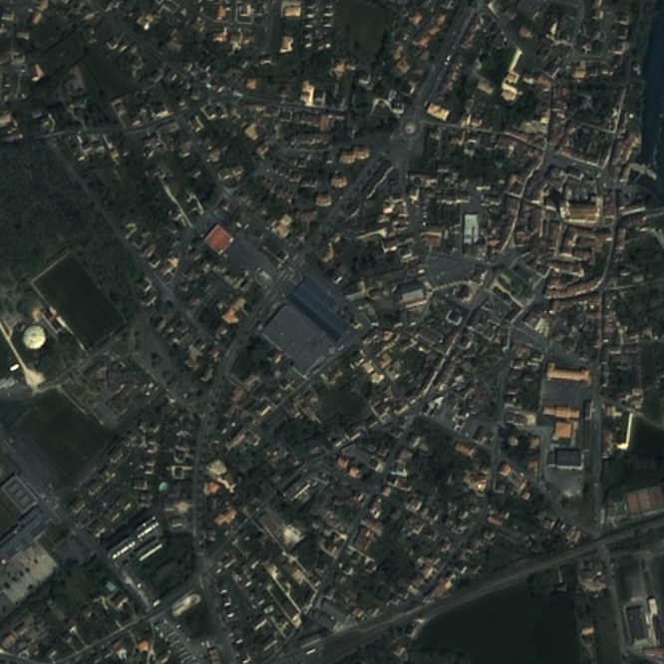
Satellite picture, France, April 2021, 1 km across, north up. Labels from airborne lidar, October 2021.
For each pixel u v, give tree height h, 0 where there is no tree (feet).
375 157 0
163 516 0
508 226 0
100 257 95
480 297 0
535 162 0
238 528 0
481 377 0
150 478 0
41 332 0
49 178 50
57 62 0
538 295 0
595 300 0
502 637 0
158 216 25
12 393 0
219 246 0
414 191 0
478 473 19
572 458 0
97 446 0
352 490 21
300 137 0
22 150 84
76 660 22
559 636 0
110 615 37
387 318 23
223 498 19
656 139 0
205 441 23
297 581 0
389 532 0
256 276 0
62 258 0
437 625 0
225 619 25
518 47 0
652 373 0
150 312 0
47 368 56
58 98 25
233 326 37
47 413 0
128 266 95
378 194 27
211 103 0
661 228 0
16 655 0
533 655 0
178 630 0
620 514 0
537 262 0
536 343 0
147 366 0
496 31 0
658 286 0
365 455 0
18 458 0
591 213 0
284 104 0
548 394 0
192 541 29
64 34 22
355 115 43
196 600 0
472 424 0
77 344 56
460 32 0
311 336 0
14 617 28
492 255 0
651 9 49
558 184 0
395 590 22
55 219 79
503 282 45
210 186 19
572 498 0
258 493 38
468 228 0
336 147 41
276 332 0
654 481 0
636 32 66
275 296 0
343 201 0
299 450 43
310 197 33
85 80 0
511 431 36
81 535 0
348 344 0
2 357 0
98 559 32
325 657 0
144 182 20
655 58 0
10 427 0
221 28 24
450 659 61
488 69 48
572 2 0
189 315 0
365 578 30
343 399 0
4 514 0
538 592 44
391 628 0
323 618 0
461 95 34
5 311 45
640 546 31
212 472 0
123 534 29
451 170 35
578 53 0
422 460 58
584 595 22
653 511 0
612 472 52
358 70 31
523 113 24
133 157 30
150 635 24
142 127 0
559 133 0
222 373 0
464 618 0
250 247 0
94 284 0
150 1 33
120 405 0
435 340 0
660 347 44
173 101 0
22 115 65
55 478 0
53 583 26
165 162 0
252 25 0
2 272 62
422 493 23
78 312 0
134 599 23
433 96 0
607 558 0
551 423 0
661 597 0
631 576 0
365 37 0
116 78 0
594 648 33
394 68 0
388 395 0
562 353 0
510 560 17
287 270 0
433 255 0
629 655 0
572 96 35
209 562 0
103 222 85
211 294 0
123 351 0
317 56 27
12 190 85
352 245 30
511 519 21
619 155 0
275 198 28
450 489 32
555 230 0
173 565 35
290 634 0
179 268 0
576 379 0
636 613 0
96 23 0
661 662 0
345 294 0
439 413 0
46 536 0
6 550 0
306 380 0
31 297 72
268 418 0
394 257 37
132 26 31
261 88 0
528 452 32
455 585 19
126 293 92
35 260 84
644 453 0
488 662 0
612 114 22
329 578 0
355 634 0
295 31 27
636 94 41
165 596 31
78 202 94
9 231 73
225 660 0
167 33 22
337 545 19
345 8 0
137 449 0
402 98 24
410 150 0
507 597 0
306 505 20
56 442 0
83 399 0
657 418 0
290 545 0
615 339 0
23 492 0
